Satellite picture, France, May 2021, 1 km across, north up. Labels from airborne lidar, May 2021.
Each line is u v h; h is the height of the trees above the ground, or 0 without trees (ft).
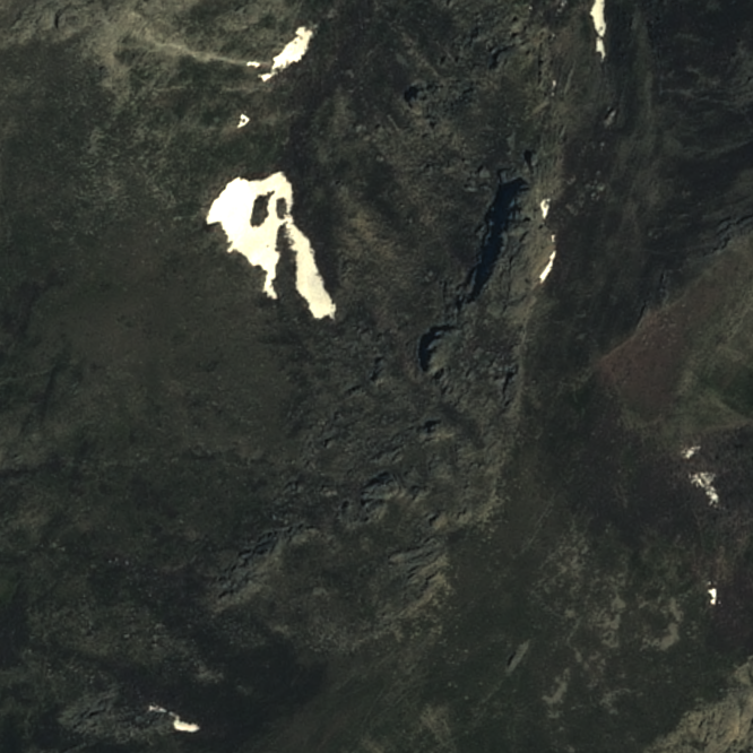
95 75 0
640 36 0
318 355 0
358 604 0
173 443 0
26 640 0
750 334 0
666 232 0
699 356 0
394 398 0
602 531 0
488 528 0
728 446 29
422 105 0
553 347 0
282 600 0
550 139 0
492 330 0
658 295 0
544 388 0
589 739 0
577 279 0
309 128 0
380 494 0
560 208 0
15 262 0
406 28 0
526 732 0
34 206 0
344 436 0
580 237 0
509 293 0
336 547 0
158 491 0
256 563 0
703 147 0
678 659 0
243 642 0
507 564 0
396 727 0
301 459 0
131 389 0
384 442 0
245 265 0
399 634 0
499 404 0
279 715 0
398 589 0
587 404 0
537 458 0
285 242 0
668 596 0
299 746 0
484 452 0
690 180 0
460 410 0
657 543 0
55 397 0
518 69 0
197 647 0
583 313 0
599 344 0
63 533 0
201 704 0
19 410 0
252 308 0
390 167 0
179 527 0
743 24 0
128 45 0
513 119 0
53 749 0
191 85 0
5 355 0
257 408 0
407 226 0
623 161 0
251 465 0
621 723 0
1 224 0
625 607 0
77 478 0
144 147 0
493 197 0
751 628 0
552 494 0
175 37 0
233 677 0
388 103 0
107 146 0
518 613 0
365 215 0
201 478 0
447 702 0
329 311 0
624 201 0
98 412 0
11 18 0
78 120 0
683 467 37
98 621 0
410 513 0
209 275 0
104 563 0
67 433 0
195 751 0
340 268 0
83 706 0
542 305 0
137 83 0
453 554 0
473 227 0
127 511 0
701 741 0
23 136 0
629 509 0
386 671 0
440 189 0
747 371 0
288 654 0
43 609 0
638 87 0
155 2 0
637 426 0
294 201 0
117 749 0
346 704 0
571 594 0
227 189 0
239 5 0
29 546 0
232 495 0
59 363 0
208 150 0
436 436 0
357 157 0
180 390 0
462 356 0
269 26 0
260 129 0
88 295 0
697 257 0
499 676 0
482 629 0
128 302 0
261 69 0
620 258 0
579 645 0
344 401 0
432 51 0
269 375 0
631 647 0
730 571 0
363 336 0
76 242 0
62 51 0
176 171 0
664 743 0
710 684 0
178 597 0
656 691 0
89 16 0
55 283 0
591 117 0
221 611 0
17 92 0
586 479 0
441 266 0
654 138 0
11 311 0
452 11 0
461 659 0
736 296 0
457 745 0
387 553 0
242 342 0
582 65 0
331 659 0
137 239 0
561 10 21
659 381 0
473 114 0
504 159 0
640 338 0
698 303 0
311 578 0
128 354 0
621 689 0
